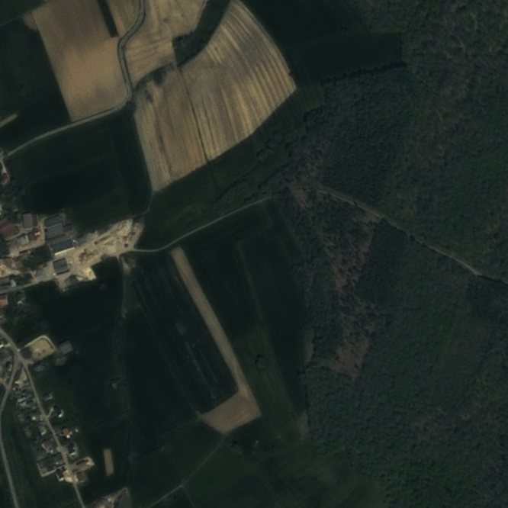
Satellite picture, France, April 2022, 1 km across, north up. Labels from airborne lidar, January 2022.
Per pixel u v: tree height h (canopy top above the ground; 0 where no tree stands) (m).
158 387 0
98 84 0
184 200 0
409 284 17
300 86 0
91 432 0
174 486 0
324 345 15
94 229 0
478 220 23
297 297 0
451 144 21
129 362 0
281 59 0
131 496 0
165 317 0
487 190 21
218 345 0
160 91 0
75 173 0
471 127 22
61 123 0
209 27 0
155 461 0
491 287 17
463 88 26
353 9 0
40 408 0
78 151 0
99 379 0
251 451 0
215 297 0
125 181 0
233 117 0
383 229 18
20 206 6
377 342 20
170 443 0
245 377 0
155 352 0
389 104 22
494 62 26
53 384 0
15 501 0
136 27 0
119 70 0
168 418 0
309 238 17
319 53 0
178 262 0
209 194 0
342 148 18
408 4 25
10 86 0
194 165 0
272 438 0
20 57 0
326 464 0
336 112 13
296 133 0
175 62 0
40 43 0
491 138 23
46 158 0
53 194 0
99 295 0
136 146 0
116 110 0
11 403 0
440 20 26
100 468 0
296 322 0
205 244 0
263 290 0
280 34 0
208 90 0
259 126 0
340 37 0
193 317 0
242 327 0
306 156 17
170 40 0
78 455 0
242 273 0
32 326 0
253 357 0
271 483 0
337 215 20
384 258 15
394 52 0
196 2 0
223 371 0
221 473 0
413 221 19
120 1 0
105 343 0
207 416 0
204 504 0
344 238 21
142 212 0
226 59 0
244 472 0
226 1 0
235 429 0
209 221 0
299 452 0
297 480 0
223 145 0
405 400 18
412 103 22
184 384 0
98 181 0
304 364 0
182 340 0
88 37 0
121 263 0
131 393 0
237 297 0
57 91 0
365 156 19
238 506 0
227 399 0
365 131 16
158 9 0
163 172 0
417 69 23
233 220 0
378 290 15
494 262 19
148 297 0
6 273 0
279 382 0
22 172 0
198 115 0
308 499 0
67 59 0
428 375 20
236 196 11
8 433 0
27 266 0
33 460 0
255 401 0
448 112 25
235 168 0
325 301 20
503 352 20
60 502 0
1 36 0
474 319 14
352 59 0
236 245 0
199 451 0
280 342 0
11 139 0
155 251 0
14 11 0
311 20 0
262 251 0
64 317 0
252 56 0
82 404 0
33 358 0
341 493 0
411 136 19
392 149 17
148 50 0
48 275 0
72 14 0
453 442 24
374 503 0
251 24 0
